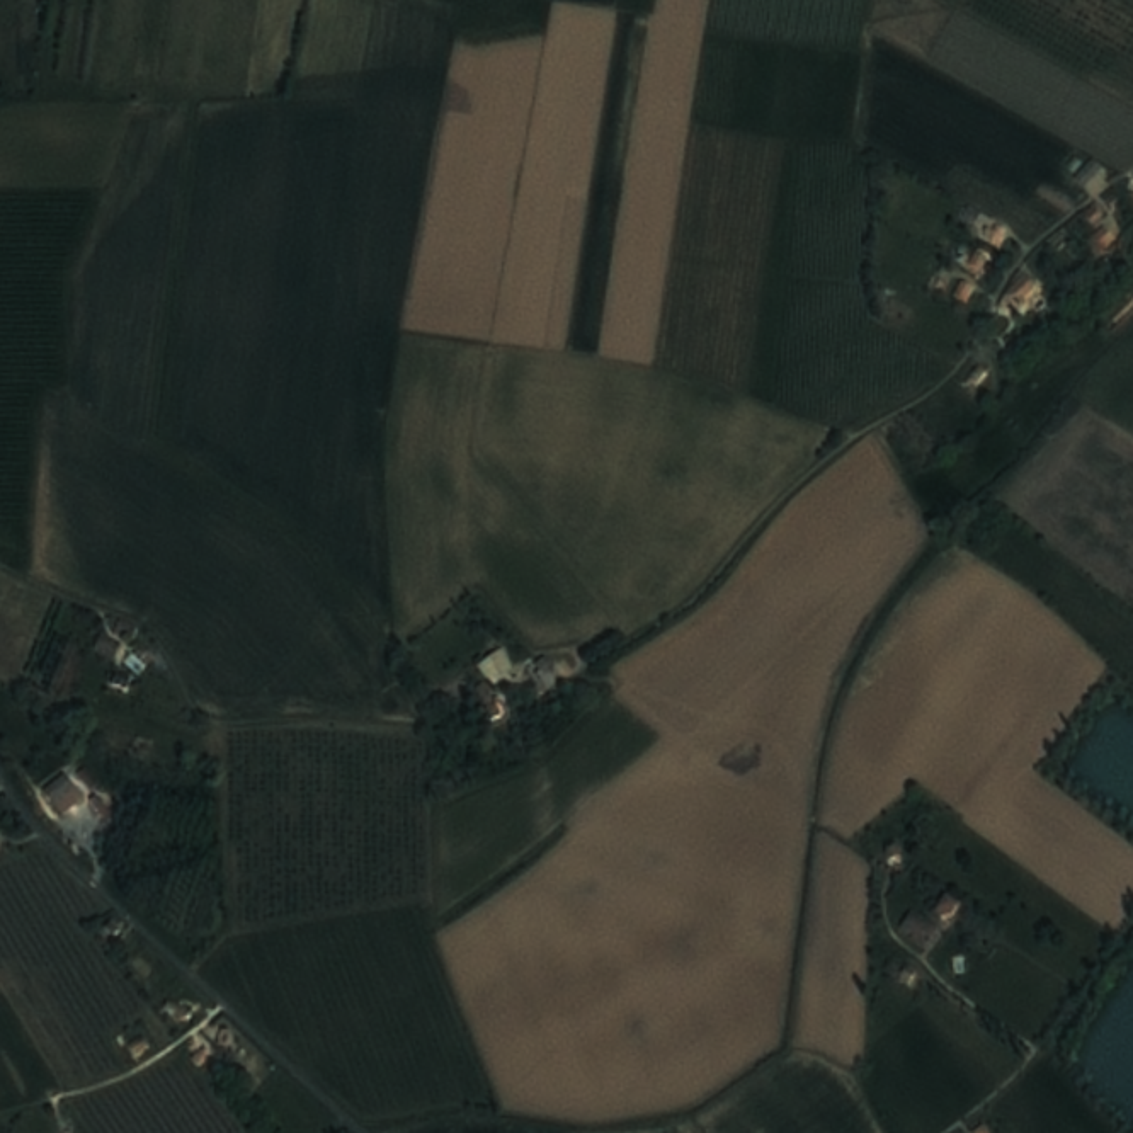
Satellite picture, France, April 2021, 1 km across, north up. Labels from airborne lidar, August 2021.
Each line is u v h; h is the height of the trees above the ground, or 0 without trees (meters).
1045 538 7
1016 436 0
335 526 0
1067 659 0
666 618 8
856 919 0
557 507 0
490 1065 0
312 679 0
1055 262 7
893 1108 0
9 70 0
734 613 0
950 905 0
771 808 0
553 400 0
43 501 0
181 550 0
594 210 0
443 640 0
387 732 0
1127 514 0
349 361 0
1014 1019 0
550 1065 0
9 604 0
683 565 0
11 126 0
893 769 0
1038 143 0
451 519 0
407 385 0
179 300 0
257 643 0
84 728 23
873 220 8
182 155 0
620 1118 0
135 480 0
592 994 0
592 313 0
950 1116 0
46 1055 0
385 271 0
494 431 0
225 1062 15
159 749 0
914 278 0
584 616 0
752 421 0
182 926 28
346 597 0
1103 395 0
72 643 8
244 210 0
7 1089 0
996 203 0
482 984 0
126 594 0
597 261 0
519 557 0
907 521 0
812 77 0
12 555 0
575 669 0
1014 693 0
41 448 0
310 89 0
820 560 0
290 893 6
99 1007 6
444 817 0
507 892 0
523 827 0
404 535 0
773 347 0
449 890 0
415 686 16
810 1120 0
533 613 0
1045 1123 0
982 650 0
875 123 0
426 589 0
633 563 0
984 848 0
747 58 0
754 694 0
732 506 0
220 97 0
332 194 0
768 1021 0
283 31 0
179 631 0
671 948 0
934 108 0
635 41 0
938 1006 0
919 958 0
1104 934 0
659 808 0
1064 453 0
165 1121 6
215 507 0
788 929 0
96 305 0
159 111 0
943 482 0
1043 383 0
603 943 0
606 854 0
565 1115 0
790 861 0
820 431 0
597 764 0
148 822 26
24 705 19
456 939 0
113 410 0
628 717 0
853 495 0
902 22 0
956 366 0
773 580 0
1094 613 0
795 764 0
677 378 0
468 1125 0
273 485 0
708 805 0
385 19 0
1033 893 0
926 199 0
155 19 0
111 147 0
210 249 0
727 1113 0
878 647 0
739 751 0
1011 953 0
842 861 0
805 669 0
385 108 0
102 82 0
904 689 0
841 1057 0
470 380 0
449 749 18
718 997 0
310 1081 0
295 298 0
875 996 6
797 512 0
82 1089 0
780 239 0
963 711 0
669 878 0
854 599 0
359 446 0
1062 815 0
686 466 0
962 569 0
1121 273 22
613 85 0
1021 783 0
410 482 0
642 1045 0
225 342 0
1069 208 0
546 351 0
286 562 0
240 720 0
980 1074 0
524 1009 0
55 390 0
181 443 0
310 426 0
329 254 0
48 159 0
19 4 0
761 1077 0
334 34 0
